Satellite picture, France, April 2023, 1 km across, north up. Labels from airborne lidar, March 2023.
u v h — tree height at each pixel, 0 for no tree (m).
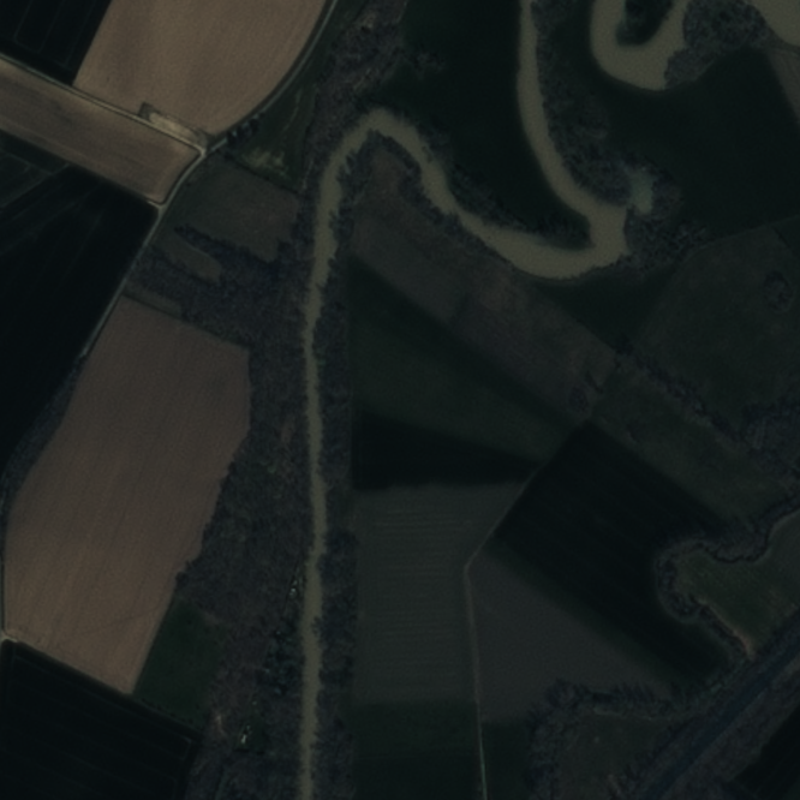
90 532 0
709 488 0
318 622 0
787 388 0
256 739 0
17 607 0
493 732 0
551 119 10
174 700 0
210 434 0
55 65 0
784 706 20
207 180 0
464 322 0
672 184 18
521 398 0
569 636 0
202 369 0
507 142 0
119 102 0
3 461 0
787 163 0
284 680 10
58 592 0
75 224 0
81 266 0
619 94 0
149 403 0
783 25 0
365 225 0
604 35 0
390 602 0
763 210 0
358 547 18
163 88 0
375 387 0
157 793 0
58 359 0
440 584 0
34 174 0
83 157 0
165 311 0
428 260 0
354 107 34
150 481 0
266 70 0
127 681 0
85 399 0
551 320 0
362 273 0
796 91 0
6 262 0
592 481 0
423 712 0
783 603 0
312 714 0
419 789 0
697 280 0
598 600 0
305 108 0
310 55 0
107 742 0
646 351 0
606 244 0
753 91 0
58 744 0
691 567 0
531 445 0
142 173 0
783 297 6
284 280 21
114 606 0
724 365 0
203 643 0
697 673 0
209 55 0
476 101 0
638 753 0
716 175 0
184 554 0
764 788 0
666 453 0
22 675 0
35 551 0
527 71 0
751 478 0
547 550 0
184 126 0
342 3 0
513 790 0
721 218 0
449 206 0
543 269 0
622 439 0
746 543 33
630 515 0
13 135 0
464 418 0
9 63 0
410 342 0
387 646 0
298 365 22
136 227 0
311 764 0
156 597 0
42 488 0
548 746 8
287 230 0
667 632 0
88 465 0
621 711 14
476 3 0
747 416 0
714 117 0
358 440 0
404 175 0
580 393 0
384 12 8
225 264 18
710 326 0
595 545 0
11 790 0
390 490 0
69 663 0
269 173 0
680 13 0
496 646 0
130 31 0
